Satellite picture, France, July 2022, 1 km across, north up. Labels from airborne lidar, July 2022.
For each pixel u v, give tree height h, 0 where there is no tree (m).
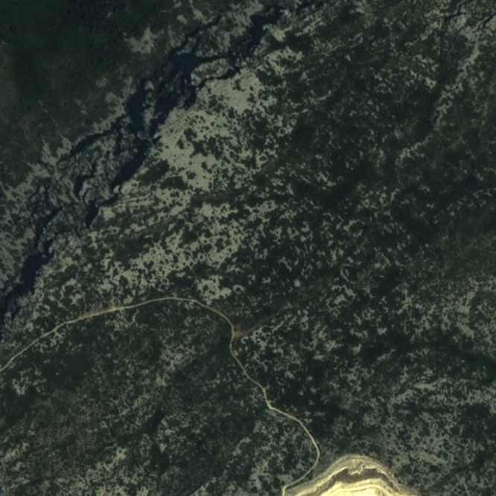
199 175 0
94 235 0
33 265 7
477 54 0
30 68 6
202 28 9
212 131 0
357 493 0
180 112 0
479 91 0
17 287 7
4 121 0
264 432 0
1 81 0
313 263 6
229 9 7
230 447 0
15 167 0
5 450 0
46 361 0
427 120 5
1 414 0
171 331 0
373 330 6
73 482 0
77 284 0
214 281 0
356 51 6
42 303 0
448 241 0
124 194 0
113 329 0
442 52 7
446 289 0
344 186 6
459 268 0
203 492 0
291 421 0
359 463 0
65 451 0
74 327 0
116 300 0
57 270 0
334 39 0
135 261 0
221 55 6
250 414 0
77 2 6
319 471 0
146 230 0
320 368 6
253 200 6
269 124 0
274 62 0
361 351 6
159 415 6
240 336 0
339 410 6
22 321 0
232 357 0
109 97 0
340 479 0
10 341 0
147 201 0
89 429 0
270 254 5
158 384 0
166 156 0
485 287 0
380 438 0
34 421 0
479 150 0
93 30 10
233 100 0
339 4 0
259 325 0
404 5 0
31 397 0
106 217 0
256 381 0
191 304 0
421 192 7
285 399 6
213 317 0
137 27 8
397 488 0
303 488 0
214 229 0
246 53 6
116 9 9
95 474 0
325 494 0
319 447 0
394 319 6
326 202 7
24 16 0
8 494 0
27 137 0
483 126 0
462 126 0
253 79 0
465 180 6
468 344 6
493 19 0
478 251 0
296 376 5
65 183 0
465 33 0
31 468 0
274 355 5
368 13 0
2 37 11
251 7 0
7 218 0
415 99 6
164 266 0
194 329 0
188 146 0
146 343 0
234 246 0
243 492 0
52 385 0
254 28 7
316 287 0
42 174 0
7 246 0
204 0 0
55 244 0
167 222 0
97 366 0
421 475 0
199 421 0
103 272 0
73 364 0
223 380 0
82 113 0
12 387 0
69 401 0
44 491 0
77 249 0
